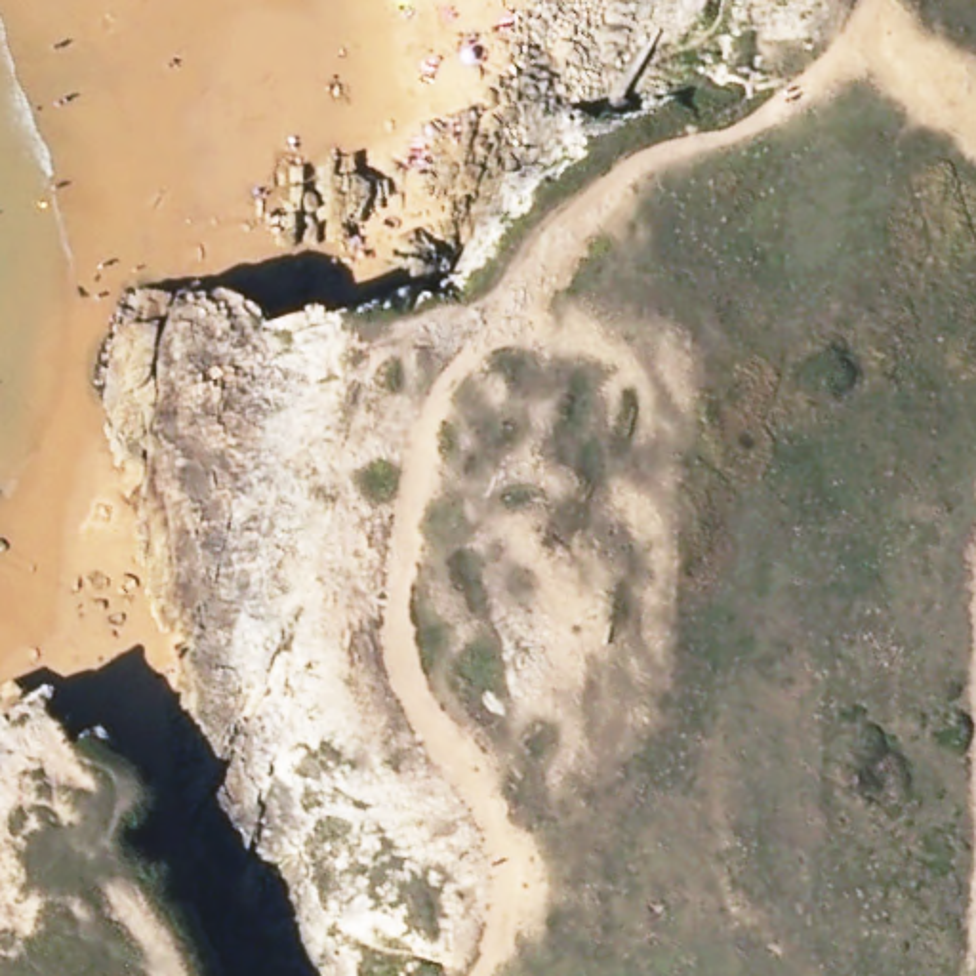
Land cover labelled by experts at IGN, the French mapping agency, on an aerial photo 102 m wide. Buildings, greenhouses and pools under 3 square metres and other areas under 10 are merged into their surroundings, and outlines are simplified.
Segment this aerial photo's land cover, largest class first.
<instances>
[{"label":"bare soil","instance_id":"1","mask_svg":"<svg viewBox=\"0 0 976 976\"><path fill-rule=\"evenodd\" d=\"M858 0H0V976H149L145 949L114 919L107 904V885L114 881L141 888L156 919L172 930L191 976H442L438 961L408 953L397 938H381L370 946L339 926L351 915V904L370 896L374 911L404 907V923L423 938H438L442 926V888L450 885L446 862L454 854H446L442 839L458 827L454 820H442L446 797H416L397 778L416 766L427 770V778H435L438 763L419 740L416 724L408 721L400 694L393 690L381 629L389 599V541L397 530L393 499L400 488V465L412 458V431L435 389V377L473 339V328H461L458 313L488 297L519 259L522 244L549 221V214L580 191H587L595 179H602L618 160L648 145L682 137L686 130L736 126L740 118L766 107L774 92H743L747 76H801L831 50L835 34L850 27ZM926 34L946 38L949 46L976 57V0H904ZM652 236L648 221L637 210H618L587 240V255L580 259L572 282L549 294V316L564 320L568 309L580 301L610 339L625 343L656 393L641 404L637 442L679 438V446L686 450L698 393L690 336L663 316H637L633 305H621L614 294V278H633L637 255L648 248ZM534 400L519 397L488 362L473 370L454 393V408L469 419L477 435L461 465L465 477L496 469L503 454L522 442ZM682 473L660 469L641 488L663 511V522L671 530L686 515H694L686 496L675 488ZM507 511H526L545 530L560 499L530 484L496 492ZM423 545L446 560L469 549L473 526L465 519V503L458 492H442L438 499H431L423 515ZM564 564L576 572L580 595L599 599L610 610L614 580L606 560L580 538H572V545L560 549ZM507 595L519 610H534V572L515 564L507 576ZM675 679L671 644L663 652L648 648L641 610L625 625L610 618L606 656H587L580 694V721L587 743L580 747L572 774L587 778L595 763H621L644 747L656 702L663 690H671ZM450 694L473 724V740L480 751H496L511 732L515 694L507 690L499 698L480 694L477 686L454 675ZM549 907H595L599 881L576 888L549 885Z\"/></svg>","mask_w":976,"mask_h":976},{"label":"herbaceous vegetation","instance_id":"2","mask_svg":"<svg viewBox=\"0 0 976 976\"><path fill-rule=\"evenodd\" d=\"M648 221L652 236L648 248L637 255L633 278H614V294L621 305H633L637 316H663L690 336L698 393L686 450L679 446V438L637 442L641 404L633 389L621 393V400H606L599 393L606 381L602 362L538 358L530 351L503 347L488 362L519 397L534 400L557 404V419L545 438V458L557 469L576 473L580 480L560 499L545 530L541 545L560 549L572 545V538H580L606 560L614 580L610 610V618L625 625L641 610L637 595L652 568L641 557L629 526L610 519V480L621 477L633 488H641L660 469L682 473L675 488L686 496L694 515H686L671 530L679 549L671 644L675 679L671 690H663L656 702L644 747L621 763H595L587 778L572 774L564 778L560 797L549 793L545 766L560 736L553 721L534 717L526 751L519 759L522 770L519 778H507L499 785L511 824L538 839L549 885L576 888L599 881L595 907H549L541 946L553 957H560L549 968V976H961L968 946L965 923L972 877V751H946L934 743V736L942 728H953L965 709L976 721V160H968L953 145V137L915 126L904 114V107L881 95L873 84L850 80L835 99L812 103L804 114H793L743 145L705 153L690 164H675L667 172L648 175L637 210ZM831 343H846L862 362L858 385L843 397L804 393L793 381L797 362L820 355ZM873 724L892 732L904 755L911 759L923 804L907 801L900 785L862 793L858 755L865 751V732ZM450 587L461 595L465 610L473 618L484 614L492 602L477 557L469 549L446 560ZM412 629L419 667L427 675L438 663V648L446 644V625L431 610H416ZM477 686L480 694L499 698L507 690L503 656L480 641H473L458 656L454 675Z\"/></svg>","mask_w":976,"mask_h":976},{"label":"pervious surface","instance_id":"3","mask_svg":"<svg viewBox=\"0 0 976 976\"><path fill-rule=\"evenodd\" d=\"M850 80L873 84L881 95L904 107V114L915 126L953 137V145L968 160H976V57L949 46L946 38L926 34L904 0H858L850 27L835 34L831 50L801 76H747L743 92H774L766 107L740 118L736 126L686 130L682 137L648 145L618 160L602 179H595L587 191H580L549 214V221L522 244L519 259L488 297L458 313L461 328H473V339L435 377V389L412 431V458L400 465V488L393 499L397 530L389 541V599L381 629L393 690L400 694L408 721L416 724L419 740L438 763L435 778H427V770L416 766L397 778L416 797H446L442 820H454L458 827L442 839L446 854H454L446 862L450 885L442 888V926L438 938H423L404 923V907L374 911L370 896L351 904V915L339 926L370 946L381 938H397L408 953L438 961L442 976H549V968L560 957H553L541 946L549 907V885L538 839L511 824L499 785L507 778H519L522 770L519 759L526 751L534 717L553 721L560 736L545 766L549 793L560 797L564 778L572 774L580 747L587 743L580 721V694L587 656H606L610 618V610L599 599L580 595L576 572L564 564L560 549L541 545L545 530L526 511H507L496 492L530 484L560 499L580 480L576 473L557 469L545 458V438L557 419V404L534 400L522 442L503 454L496 469L465 477L461 465L477 435L469 419L454 408V393L473 370L488 362L503 347L530 351L538 358L602 362L606 381L599 393L606 400H621V393L633 389L641 404L656 393L625 343L610 339L580 301L568 309L564 320L549 316V294L572 282L580 259L587 255V240L618 210H637L648 175L667 172L675 164H690L705 153L743 145L793 114H804L812 103L835 99ZM442 492H458L465 503V519L473 526L469 549L477 557L492 602L484 614L473 618L465 610L461 595L450 587L446 560L423 545V515L431 499H438ZM515 564L534 572V610H519L507 595V576ZM416 610H431L446 625V644L438 648V663L427 675L419 667L412 629ZM473 641H480L503 656L507 690L515 694L511 732L496 751H480L473 740V724L450 694L458 656ZM610 519L629 526L641 557L652 568L637 595L641 610L648 648L663 652L671 644L679 549L671 530L663 522V511L641 488H633L621 477L610 480ZM968 946L961 976H976V736L972 751V877L965 923ZM107 904L114 919L145 949L149 976H191L172 930L156 919L141 888L114 881L107 885Z\"/></svg>","mask_w":976,"mask_h":976},{"label":"brushwood","instance_id":"4","mask_svg":"<svg viewBox=\"0 0 976 976\"><path fill-rule=\"evenodd\" d=\"M862 362L846 343H831L820 355L797 362L793 381L804 393L843 397L858 385ZM976 736V721L965 709L953 728H942L934 736V743L946 751H972ZM862 793L900 785L907 801L923 804L911 759L904 755L892 732L873 724L865 732V751L858 755Z\"/></svg>","mask_w":976,"mask_h":976}]
</instances>
